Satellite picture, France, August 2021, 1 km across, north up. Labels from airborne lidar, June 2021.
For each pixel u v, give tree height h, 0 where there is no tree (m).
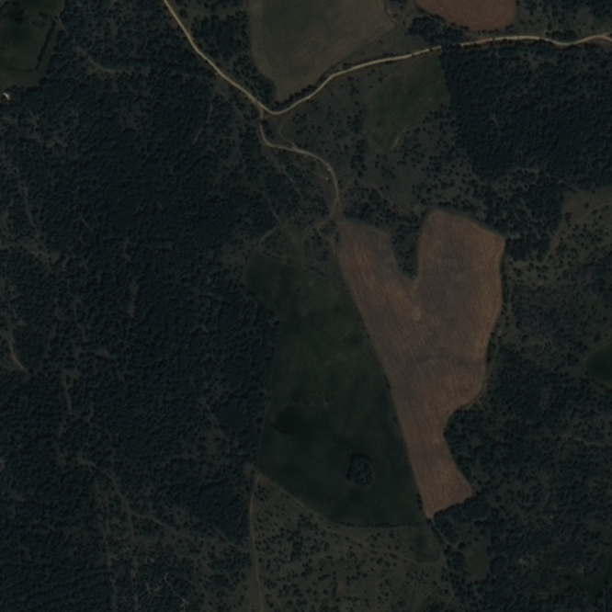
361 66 0
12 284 6
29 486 10
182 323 11
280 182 7
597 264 6
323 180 0
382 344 0
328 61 0
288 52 0
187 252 12
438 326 0
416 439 0
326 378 0
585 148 8
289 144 0
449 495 0
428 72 0
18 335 7
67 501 14
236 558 6
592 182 8
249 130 9
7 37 0
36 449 12
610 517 7
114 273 10
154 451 10
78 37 7
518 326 8
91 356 8
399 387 0
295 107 0
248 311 8
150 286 14
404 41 0
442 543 9
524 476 10
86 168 12
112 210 14
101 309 10
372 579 0
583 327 8
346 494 0
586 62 7
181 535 0
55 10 0
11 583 8
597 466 9
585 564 7
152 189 15
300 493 0
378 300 0
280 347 0
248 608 0
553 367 7
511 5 0
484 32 8
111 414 11
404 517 0
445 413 0
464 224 0
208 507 10
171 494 10
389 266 0
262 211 6
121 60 7
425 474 0
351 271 0
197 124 9
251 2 0
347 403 0
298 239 0
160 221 13
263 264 0
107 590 11
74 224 8
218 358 10
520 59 7
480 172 5
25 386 7
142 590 7
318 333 0
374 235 0
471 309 0
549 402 6
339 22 0
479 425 7
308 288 0
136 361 12
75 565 7
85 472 7
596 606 8
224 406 10
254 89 10
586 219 0
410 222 7
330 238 0
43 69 0
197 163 12
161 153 11
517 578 11
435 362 0
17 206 7
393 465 0
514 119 9
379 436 0
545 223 7
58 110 10
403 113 0
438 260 0
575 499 11
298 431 0
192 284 11
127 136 9
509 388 6
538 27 0
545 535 6
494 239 0
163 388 10
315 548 7
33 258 8
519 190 7
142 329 12
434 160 6
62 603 11
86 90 11
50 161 10
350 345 0
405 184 0
